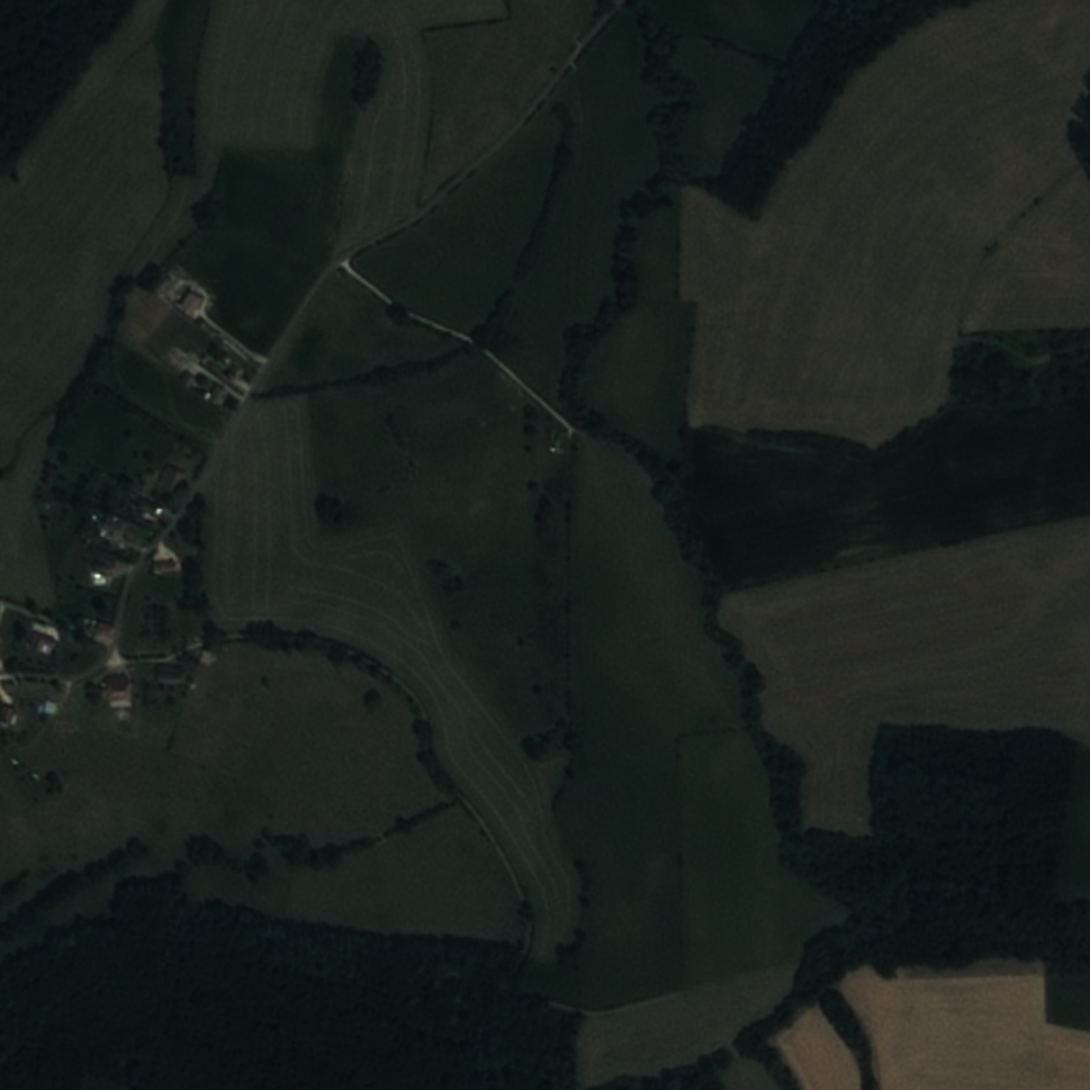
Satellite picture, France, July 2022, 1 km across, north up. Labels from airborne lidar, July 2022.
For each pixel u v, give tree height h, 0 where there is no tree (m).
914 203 0
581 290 0
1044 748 25
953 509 0
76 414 9
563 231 0
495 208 0
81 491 12
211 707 0
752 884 0
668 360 0
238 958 18
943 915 24
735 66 0
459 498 0
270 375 0
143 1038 14
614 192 0
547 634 0
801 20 0
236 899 0
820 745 0
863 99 0
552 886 0
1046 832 16
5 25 27
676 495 5
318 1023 22
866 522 0
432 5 0
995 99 0
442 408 0
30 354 0
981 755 11
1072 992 0
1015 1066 0
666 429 0
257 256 0
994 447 0
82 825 0
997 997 0
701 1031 0
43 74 24
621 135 0
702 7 0
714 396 0
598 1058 0
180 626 0
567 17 0
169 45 0
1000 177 0
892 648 0
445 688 0
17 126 22
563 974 0
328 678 0
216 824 0
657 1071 0
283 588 0
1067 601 0
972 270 0
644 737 0
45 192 0
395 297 0
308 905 0
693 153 0
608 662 0
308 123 0
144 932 13
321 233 0
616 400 0
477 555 0
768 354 0
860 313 0
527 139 0
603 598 0
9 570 0
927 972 0
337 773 0
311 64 0
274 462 0
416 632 0
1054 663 0
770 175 17
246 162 0
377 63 8
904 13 23
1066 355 8
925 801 27
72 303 0
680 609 0
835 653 0
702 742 0
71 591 0
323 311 0
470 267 0
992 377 10
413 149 0
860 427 0
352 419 0
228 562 0
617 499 0
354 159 0
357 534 0
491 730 0
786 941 0
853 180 0
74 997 10
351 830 0
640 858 0
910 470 0
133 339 0
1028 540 0
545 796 0
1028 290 0
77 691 0
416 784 0
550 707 0
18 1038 8
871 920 20
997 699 0
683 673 0
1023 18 0
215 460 0
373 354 0
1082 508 0
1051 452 0
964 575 0
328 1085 17
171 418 0
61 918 0
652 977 0
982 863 6
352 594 0
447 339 11
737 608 0
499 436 0
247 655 0
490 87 0
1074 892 0
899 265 0
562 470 0
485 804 0
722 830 0
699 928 0
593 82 0
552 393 0
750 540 0
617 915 0
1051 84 0
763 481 0
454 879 0
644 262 0
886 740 8
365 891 0
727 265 0
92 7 22
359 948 17
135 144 0
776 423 0
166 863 0
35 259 0
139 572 0
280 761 0
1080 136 27
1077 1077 0
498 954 17
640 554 0
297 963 16
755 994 0
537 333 0
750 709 13
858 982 0
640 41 0
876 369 0
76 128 0
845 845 8
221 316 0
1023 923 22
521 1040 25
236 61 0
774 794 7
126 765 0
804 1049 0
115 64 0
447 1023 21
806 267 0
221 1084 19
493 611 0
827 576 0
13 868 0
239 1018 21
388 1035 17
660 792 0
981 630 0
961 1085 0
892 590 0
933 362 0
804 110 22
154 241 0
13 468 0
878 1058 0
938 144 0
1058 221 0
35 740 0
